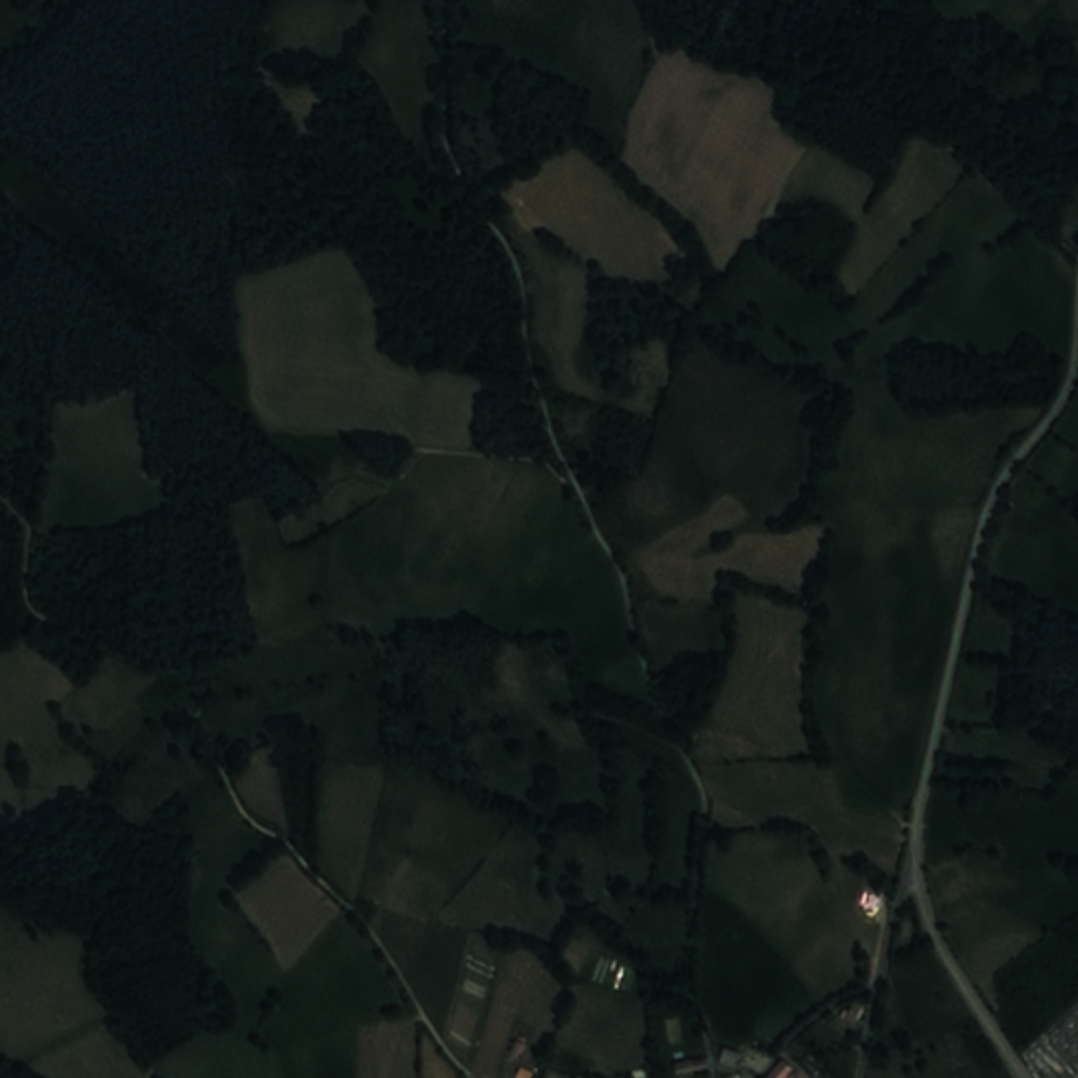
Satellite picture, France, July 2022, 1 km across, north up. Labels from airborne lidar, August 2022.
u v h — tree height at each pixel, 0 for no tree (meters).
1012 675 21
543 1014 0
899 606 0
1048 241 14
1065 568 0
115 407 0
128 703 0
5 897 23
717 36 24
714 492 0
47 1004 0
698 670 20
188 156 25
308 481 30
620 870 0
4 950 0
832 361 0
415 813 0
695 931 13
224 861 0
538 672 0
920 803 0
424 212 7
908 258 0
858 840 0
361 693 0
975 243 0
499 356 20
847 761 0
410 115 0
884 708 0
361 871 0
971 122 26
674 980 9
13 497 13
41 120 19
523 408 24
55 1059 0
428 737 14
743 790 0
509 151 20
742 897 0
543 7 0
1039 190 23
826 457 21
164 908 16
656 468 0
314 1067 0
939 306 0
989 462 0
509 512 0
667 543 0
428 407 0
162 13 23
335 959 0
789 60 21
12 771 15
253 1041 12
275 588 0
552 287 0
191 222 25
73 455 0
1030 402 6
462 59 21
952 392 29
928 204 0
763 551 0
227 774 7
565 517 0
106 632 15
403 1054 0
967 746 0
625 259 0
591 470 14
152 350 21
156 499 0
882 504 0
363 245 16
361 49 22
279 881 0
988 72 34
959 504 0
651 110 0
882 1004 14
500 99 18
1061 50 23
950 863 0
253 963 0
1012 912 0
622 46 0
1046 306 0
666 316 18
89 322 15
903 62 27
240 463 20
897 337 0
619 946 23
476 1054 0
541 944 16
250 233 24
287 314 0
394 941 0
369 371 0
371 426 0
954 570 0
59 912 21
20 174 0
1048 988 0
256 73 20
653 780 17
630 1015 0
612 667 0
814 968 0
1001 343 0
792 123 25
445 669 28
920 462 0
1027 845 0
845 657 0
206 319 20
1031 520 0
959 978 0
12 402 8
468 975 0
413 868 0
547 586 0
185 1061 0
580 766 0
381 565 0
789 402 0
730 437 0
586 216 0
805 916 0
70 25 26
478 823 0
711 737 0
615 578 0
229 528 15
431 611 0
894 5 6
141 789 0
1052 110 22
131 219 23
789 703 0
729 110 0
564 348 0
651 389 0
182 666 30
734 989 0
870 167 23
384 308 17
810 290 15
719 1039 0
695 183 0
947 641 0
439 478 0
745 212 0
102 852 21
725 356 20
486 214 20
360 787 0
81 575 7
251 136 30
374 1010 0
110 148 23
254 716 0
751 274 0
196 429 21
